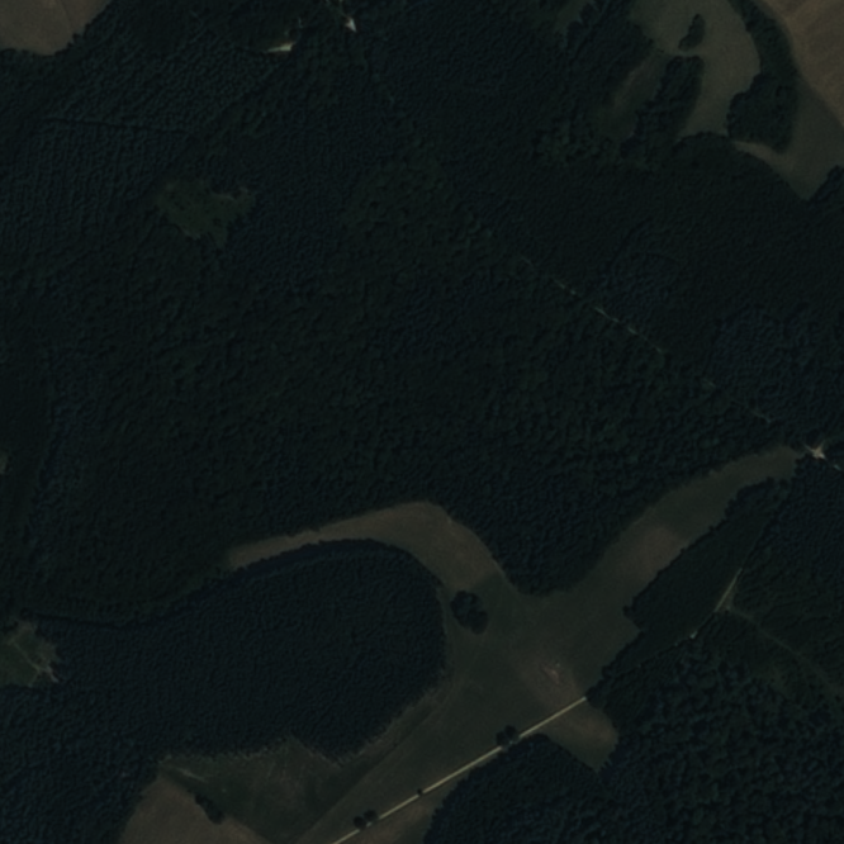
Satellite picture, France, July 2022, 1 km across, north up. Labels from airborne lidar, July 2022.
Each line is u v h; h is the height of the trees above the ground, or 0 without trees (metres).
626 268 23
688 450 9
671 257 15
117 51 16
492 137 18
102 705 25
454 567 0
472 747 0
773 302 12
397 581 25
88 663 24
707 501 0
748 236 18
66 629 29
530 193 15
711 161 7
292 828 0
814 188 0
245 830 0
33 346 15
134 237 24
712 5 0
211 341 24
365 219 23
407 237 27
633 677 12
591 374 27
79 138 21
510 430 24
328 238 23
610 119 0
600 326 25
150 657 25
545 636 0
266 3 26
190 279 27
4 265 16
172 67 24
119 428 20
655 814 26
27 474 15
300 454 26
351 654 18
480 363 24
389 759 0
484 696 0
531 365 24
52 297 21
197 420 26
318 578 24
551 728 0
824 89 0
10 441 15
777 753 28
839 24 0
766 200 16
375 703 27
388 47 28
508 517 27
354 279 28
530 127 16
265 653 23
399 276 27
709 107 0
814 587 7
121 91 17
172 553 19
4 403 13
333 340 28
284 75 19
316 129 23
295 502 21
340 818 0
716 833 26
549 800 18
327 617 24
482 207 23
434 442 25
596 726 0
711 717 31
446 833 25
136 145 24
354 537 0
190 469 19
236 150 24
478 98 17
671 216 14
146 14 16
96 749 29
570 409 28
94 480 16
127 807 34
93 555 13
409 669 25
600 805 27
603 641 0
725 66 0
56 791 35
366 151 18
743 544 10
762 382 29
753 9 12
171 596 15
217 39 27
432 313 30
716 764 31
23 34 0
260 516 19
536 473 25
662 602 13
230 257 15
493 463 25
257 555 0
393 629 21
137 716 25
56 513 22
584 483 27
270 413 23
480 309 26
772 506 22
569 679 0
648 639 14
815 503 25
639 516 26
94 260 22
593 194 16
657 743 23
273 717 25
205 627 22
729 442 23
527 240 24
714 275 16
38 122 18
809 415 25
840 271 13
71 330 22
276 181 19
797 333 27
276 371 30
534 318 26
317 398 27
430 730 0
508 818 13
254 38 23
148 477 18
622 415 22
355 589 25
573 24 0
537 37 20
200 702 23
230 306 28
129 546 15
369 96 22
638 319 30
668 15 0
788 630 7
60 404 14
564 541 25
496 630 0
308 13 27
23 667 0
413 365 25
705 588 14
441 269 26
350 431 23
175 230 30
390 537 0
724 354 28
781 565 15
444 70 22
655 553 0
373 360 25
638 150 28
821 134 0
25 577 14
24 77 14
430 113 23
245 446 24
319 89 22
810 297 12
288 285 20
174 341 23
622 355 10
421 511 0
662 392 19
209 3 22
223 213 0
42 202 23
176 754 30
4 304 14
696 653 28
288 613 23
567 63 19
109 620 21
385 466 22
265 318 28
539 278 13
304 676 25
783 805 27
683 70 25
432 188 24
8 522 14
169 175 27
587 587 0
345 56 24
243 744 24
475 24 18
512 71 19
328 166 18
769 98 27
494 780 26
